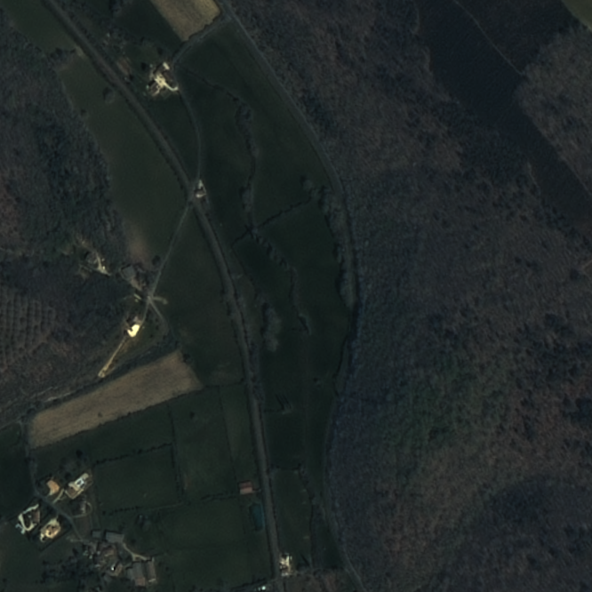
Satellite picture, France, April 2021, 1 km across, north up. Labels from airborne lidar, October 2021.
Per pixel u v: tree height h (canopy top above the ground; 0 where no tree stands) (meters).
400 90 14
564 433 10
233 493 6
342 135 15
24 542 0
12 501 0
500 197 13
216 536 0
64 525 16
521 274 8
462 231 11
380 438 22
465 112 14
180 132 0
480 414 18
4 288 13
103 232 26
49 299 14
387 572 12
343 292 25
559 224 18
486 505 15
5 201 10
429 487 15
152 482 0
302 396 0
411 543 18
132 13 0
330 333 0
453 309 10
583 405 11
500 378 23
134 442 0
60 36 0
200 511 0
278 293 0
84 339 12
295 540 0
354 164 20
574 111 21
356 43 13
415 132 16
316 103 11
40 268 15
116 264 15
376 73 14
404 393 23
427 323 10
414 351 11
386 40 15
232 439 0
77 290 9
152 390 0
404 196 19
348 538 16
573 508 15
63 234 25
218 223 0
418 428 24
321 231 0
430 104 16
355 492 17
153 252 0
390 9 17
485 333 11
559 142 17
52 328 13
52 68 17
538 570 22
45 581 12
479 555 12
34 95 22
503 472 22
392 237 20
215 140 0
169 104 0
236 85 0
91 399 0
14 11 0
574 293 15
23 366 20
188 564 0
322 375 0
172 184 0
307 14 15
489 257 12
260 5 16
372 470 21
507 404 12
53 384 9
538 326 11
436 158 13
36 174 18
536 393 12
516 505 20
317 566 9
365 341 21
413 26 18
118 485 0
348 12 16
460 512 22
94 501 0
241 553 0
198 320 0
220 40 0
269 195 0
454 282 11
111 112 0
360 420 17
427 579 22
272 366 0
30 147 19
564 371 19
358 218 25
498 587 16
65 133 22
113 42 6
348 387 14
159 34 0
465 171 15
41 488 10
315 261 0
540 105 16
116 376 6
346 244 17
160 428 0
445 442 16
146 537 0
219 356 0
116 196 0
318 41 15
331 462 16
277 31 15
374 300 19
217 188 0
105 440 0
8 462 0
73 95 0
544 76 25
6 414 14
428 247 17
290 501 0
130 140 0
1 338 8
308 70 14
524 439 11
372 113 18
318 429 0
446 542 27
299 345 0
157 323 10
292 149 0
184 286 0
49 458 0
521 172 16
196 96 0
